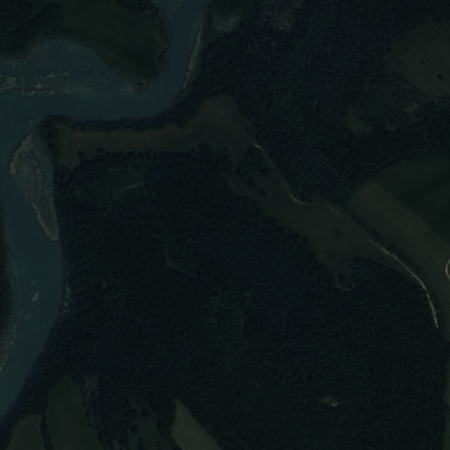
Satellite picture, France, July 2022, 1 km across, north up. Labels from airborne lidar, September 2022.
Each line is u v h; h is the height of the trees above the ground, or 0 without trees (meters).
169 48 0
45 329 0
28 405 16
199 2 0
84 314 21
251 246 34
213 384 21
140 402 10
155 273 22
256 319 34
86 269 18
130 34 0
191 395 13
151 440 0
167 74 0
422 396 23
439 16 17
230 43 7
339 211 0
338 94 14
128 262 28
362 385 19
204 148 22
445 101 8
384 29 12
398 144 14
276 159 9
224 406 17
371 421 31
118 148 0
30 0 0
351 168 7
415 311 21
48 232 0
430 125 11
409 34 0
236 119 0
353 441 26
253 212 20
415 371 19
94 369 26
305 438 18
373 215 0
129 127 14
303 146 24
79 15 0
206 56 21
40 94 0
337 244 0
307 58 17
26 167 0
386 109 6
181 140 0
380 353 27
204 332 24
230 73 23
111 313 16
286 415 13
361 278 13
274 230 24
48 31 21
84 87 0
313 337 29
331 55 20
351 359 23
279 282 37
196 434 0
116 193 0
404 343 20
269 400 12
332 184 30
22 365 0
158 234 16
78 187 28
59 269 0
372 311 21
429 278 0
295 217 0
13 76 0
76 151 0
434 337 20
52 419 0
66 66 0
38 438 0
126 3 26
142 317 26
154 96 0
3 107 0
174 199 23
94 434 0
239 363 10
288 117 21
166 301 22
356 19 18
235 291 26
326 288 24
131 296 25
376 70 7
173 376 20
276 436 17
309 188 21
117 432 20
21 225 0
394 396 22
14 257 0
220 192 27
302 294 22
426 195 0
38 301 0
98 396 18
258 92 24
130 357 34
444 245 0
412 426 20
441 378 11
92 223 25
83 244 18
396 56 0
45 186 0
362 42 16
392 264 0
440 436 13
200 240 32
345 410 22
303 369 22
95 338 24
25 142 0
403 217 0
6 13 29
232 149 0
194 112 20
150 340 22
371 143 11
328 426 23
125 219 21
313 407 20
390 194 0
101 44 0
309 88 15
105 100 0
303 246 20
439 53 0
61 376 12
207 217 23
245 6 0
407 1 24
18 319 0
